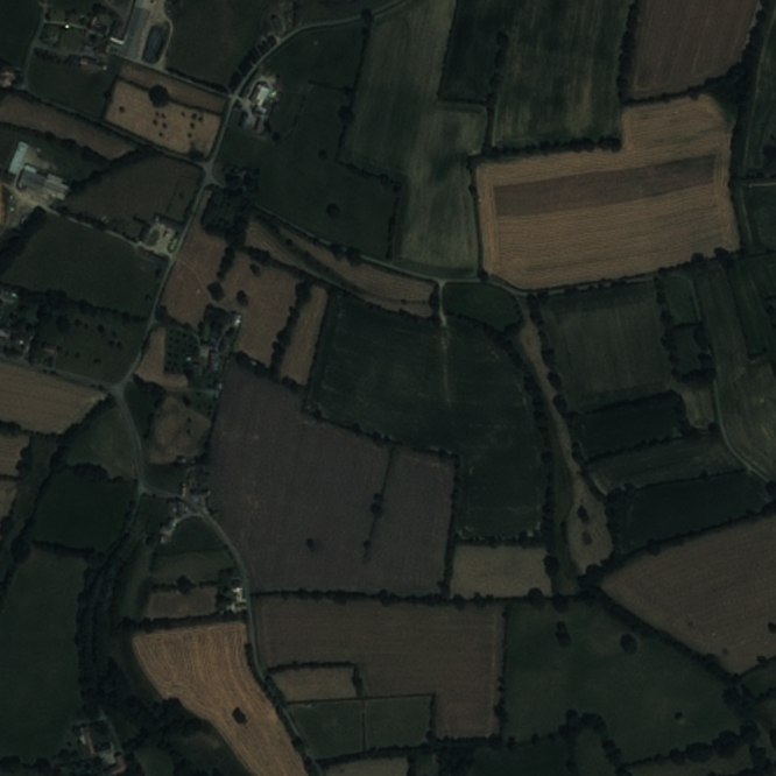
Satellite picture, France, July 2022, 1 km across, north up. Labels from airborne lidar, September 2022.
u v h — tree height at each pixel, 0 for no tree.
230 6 0
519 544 6
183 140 0
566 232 0
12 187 0
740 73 15
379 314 7
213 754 0
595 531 0
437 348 0
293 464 0
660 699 0
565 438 0
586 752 0
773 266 0
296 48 0
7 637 0
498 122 0
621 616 8
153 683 0
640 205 0
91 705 16
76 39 0
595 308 0
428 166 0
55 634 0
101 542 0
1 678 0
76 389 0
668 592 0
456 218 0
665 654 0
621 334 0
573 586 0
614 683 0
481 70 0
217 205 5
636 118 0
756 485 0
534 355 0
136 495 0
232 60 0
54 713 0
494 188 0
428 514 0
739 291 0
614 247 0
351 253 15
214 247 0
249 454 0
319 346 7
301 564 0
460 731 0
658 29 0
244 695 0
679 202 0
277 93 0
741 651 0
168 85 0
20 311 11
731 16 0
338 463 0
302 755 6
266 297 0
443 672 0
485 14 0
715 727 0
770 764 17
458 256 0
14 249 16
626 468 0
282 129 0
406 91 0
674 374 11
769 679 0
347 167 7
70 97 0
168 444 0
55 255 0
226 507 0
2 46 0
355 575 0
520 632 0
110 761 0
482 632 0
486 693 0
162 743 18
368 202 0
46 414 0
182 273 0
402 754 9
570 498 0
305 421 0
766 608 0
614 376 0
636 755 0
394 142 0
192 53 0
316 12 0
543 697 0
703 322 7
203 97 0
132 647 0
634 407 11
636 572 0
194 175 0
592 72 0
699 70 0
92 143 0
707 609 0
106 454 0
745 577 0
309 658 0
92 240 0
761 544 0
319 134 0
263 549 0
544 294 11
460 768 17
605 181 0
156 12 0
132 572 0
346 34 0
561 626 11
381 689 0
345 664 7
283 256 0
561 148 11
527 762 0
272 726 0
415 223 0
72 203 0
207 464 11
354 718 0
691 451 0
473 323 9
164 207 0
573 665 0
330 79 0
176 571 0
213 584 7
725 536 0
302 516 0
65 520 0
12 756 0
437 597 9
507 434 0
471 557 0
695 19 0
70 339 0
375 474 0
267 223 8
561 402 17
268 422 0
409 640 0
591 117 0
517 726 0
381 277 0
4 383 0
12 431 17
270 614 0
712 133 0
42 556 0
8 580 13
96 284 0
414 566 0
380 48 0
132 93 0
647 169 0
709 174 0
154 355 0
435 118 0
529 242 0
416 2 0
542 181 0
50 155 0
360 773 0
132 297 0
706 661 10
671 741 0
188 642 0
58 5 0
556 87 0
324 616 0
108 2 0
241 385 0
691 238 0
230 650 0
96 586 29
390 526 0
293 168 0
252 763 0
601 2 0
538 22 0
